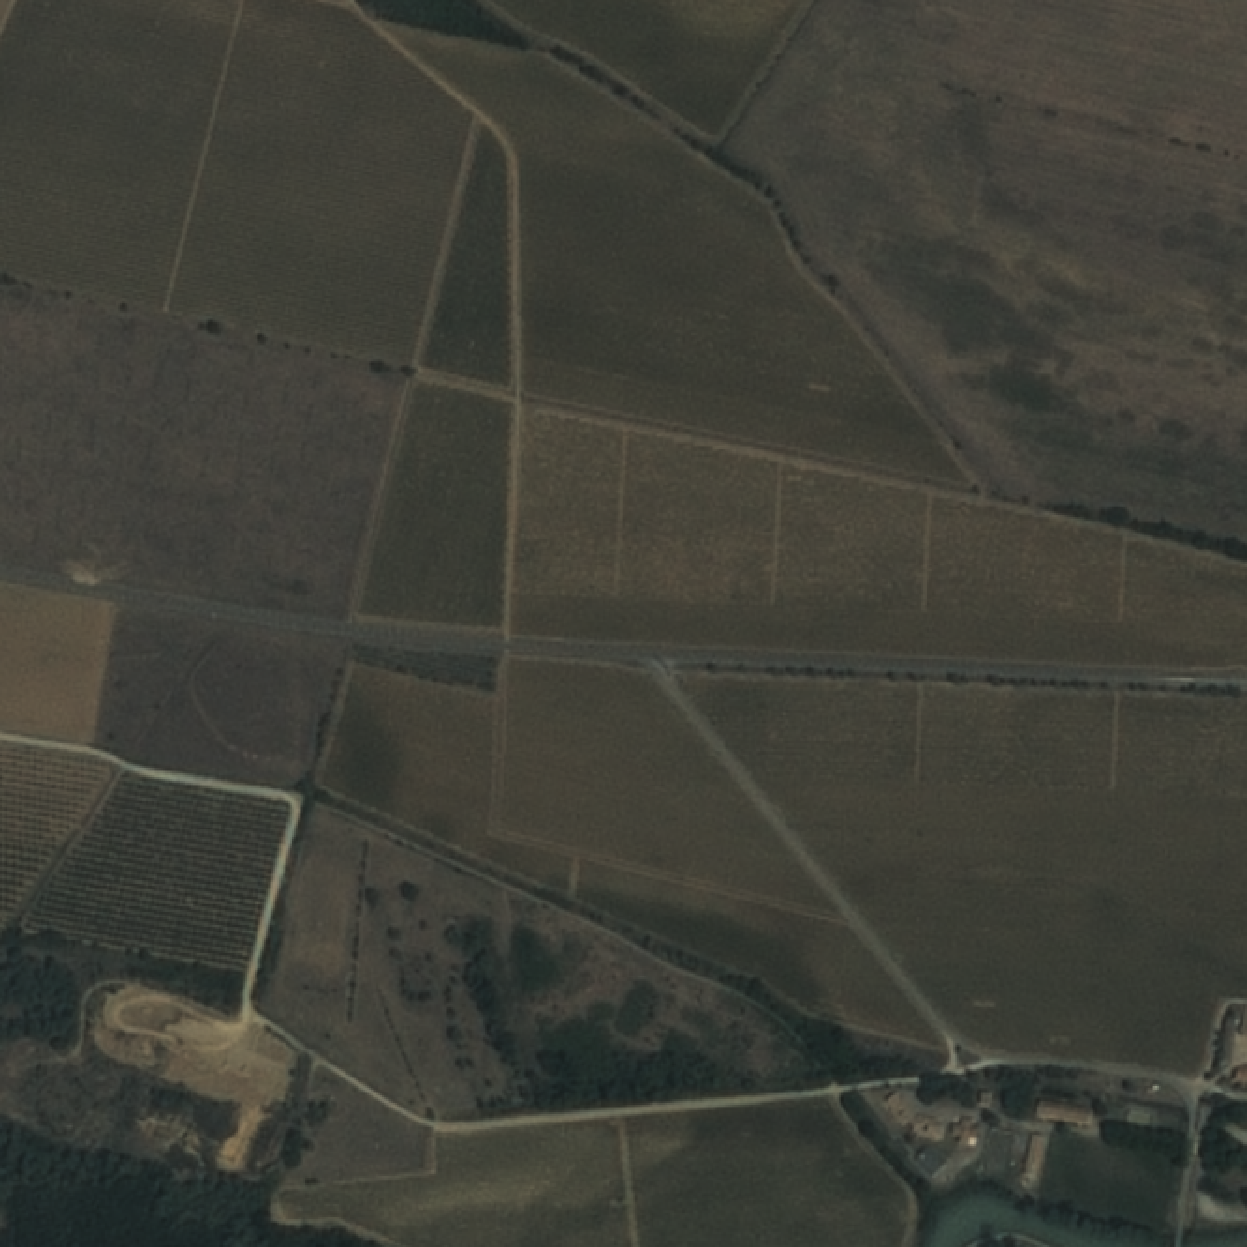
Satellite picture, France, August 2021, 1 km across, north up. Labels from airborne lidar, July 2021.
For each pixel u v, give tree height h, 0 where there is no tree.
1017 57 0
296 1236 10
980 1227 0
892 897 0
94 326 0
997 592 0
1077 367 0
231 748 0
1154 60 0
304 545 0
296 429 0
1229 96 0
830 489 0
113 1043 0
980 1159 0
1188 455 0
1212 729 0
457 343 0
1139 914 0
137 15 0
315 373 0
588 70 6
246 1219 20
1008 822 0
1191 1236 6
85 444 0
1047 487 0
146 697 0
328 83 0
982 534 0
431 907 0
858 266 0
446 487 0
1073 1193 0
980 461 0
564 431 0
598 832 0
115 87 0
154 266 0
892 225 0
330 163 0
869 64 0
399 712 0
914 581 0
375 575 0
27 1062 0
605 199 0
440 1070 0
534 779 0
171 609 0
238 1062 0
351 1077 0
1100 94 0
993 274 0
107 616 0
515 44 6
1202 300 0
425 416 0
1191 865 0
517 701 0
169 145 0
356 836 0
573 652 0
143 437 0
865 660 0
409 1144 0
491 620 0
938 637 0
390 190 0
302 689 0
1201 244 0
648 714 0
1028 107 0
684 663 0
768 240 0
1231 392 0
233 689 0
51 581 0
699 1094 15
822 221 0
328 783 0
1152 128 0
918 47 0
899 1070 10
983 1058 0
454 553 0
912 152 0
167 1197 16
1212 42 0
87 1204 8
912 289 0
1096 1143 0
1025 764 0
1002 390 0
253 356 0
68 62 0
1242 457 0
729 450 0
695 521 0
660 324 0
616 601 0
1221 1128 13
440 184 0
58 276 0
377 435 0
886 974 0
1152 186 0
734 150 0
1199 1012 0
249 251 0
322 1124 8
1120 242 0
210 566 0
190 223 0
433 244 0
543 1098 19
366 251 0
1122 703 0
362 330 0
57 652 0
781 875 0
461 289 0
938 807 0
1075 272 0
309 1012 0
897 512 0
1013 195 0
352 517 0
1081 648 0
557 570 0
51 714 0
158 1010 0
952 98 0
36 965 12
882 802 0
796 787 0
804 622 0
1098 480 0
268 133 0
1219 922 0
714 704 0
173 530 0
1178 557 0
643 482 0
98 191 0
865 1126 10
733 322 0
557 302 0
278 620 0
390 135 0
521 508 0
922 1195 7
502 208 0
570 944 0
